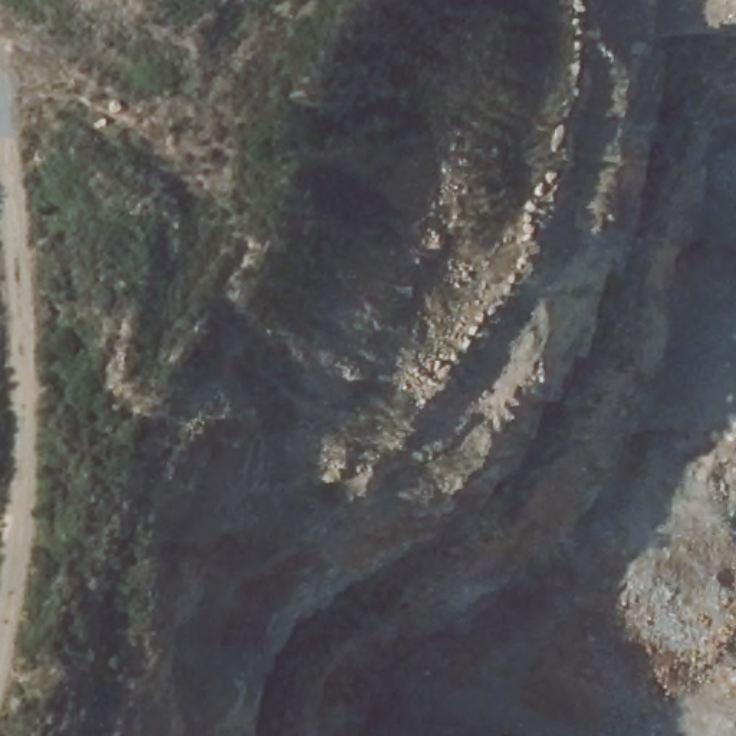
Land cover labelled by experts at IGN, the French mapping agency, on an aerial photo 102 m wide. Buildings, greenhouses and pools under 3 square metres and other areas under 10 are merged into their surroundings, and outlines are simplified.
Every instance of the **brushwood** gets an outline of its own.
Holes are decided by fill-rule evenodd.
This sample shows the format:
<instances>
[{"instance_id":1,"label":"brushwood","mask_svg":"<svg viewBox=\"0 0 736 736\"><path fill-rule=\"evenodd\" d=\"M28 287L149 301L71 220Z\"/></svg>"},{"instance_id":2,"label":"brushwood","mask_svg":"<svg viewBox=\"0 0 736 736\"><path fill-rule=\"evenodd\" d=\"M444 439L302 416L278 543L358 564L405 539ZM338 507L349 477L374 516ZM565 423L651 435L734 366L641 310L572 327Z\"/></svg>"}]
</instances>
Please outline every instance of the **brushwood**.
<instances>
[{"instance_id":1,"label":"brushwood","mask_svg":"<svg viewBox=\"0 0 736 736\"><path fill-rule=\"evenodd\" d=\"M204 14L213 9L213 3L227 0L167 0L164 9L173 14L170 29L178 35L184 35L196 14Z\"/></svg>"},{"instance_id":2,"label":"brushwood","mask_svg":"<svg viewBox=\"0 0 736 736\"><path fill-rule=\"evenodd\" d=\"M46 32L52 32L69 26L78 9L75 0L0 0L0 3L9 12L17 12L20 17L40 23Z\"/></svg>"},{"instance_id":3,"label":"brushwood","mask_svg":"<svg viewBox=\"0 0 736 736\"><path fill-rule=\"evenodd\" d=\"M144 60L127 60L124 69L112 63L106 72L98 75L101 83L118 89L121 109L147 98L175 98L187 81L181 69L187 52L164 40L150 40Z\"/></svg>"},{"instance_id":4,"label":"brushwood","mask_svg":"<svg viewBox=\"0 0 736 736\"><path fill-rule=\"evenodd\" d=\"M201 236L196 213L181 219L181 227L170 227L178 219L175 201L167 196L167 187L178 178L173 173L173 161L167 155L158 155L150 141L135 138L129 127L118 132L121 144L109 147L106 135L95 129L95 124L89 121L83 104L78 104L75 109L60 109L60 129L52 138L58 152L52 152L43 164L37 164L35 173L23 178L29 210L26 242L35 253L35 359L37 380L43 388L37 400L37 503L32 512L35 543L14 653L23 658L23 670L49 667L52 661L58 661L63 679L58 681L49 699L23 702L17 710L0 707L0 736L112 736L115 713L124 702L129 679L138 679L141 670L150 664L141 647L127 641L127 624L150 615L155 604L150 543L155 518L138 518L132 546L118 541L121 520L129 512L127 483L132 472L132 434L138 431L141 417L129 411L124 397L115 397L106 388L106 362L101 362L101 348L92 345L92 339L101 331L101 322L112 313L124 316L124 308L135 311L124 374L127 382L150 377L152 368L161 362L161 351L184 351L193 348L193 342L207 328L210 299L227 296L230 273L242 265L247 244L239 242L230 250L227 244L221 244L221 233L227 227L213 227L210 236Z\"/></svg>"}]
</instances>

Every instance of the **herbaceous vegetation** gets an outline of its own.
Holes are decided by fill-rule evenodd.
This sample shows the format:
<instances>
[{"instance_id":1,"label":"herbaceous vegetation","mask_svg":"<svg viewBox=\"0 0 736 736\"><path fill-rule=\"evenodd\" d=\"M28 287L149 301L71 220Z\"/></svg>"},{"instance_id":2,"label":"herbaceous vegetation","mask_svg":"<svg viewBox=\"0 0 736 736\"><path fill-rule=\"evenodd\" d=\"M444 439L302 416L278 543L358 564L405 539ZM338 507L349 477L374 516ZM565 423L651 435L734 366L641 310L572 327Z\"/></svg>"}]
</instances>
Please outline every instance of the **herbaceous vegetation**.
<instances>
[{"instance_id":1,"label":"herbaceous vegetation","mask_svg":"<svg viewBox=\"0 0 736 736\"><path fill-rule=\"evenodd\" d=\"M0 707L17 710L23 702L49 699L58 681L63 679L58 661L52 661L49 667L23 670L23 658L14 653L14 670L0 670Z\"/></svg>"},{"instance_id":2,"label":"herbaceous vegetation","mask_svg":"<svg viewBox=\"0 0 736 736\"><path fill-rule=\"evenodd\" d=\"M178 35L170 29L173 14L164 9L167 0L75 0L78 9L69 26L52 32L46 32L40 23L20 17L17 12L9 12L0 3L0 43L12 37L14 58L20 63L29 63L14 75L23 178L35 173L37 164L43 164L52 152L58 152L52 138L60 129L60 109L75 109L78 104L83 104L89 121L95 124L95 129L106 135L109 147L121 144L118 132L129 127L135 138L150 141L158 155L167 155L173 161L173 173L178 178L167 187L167 196L175 201L178 219L170 227L181 227L181 219L196 213L201 236L210 236L213 227L227 227L221 233L221 244L227 244L230 250L239 242L247 244L242 265L230 273L227 296L230 302L244 299L244 270L262 259L265 250L285 247L276 230L276 219L285 210L285 196L296 170L313 155L311 112L325 106L319 89L325 60L336 52L336 37L351 40L354 23L368 20L371 0L227 0L213 3L213 9L204 14L196 14L184 35ZM144 60L150 40L164 40L187 52L181 69L187 81L175 98L147 98L121 109L118 89L101 83L98 75L106 72L112 63L124 69L127 60Z\"/></svg>"},{"instance_id":3,"label":"herbaceous vegetation","mask_svg":"<svg viewBox=\"0 0 736 736\"><path fill-rule=\"evenodd\" d=\"M3 365L0 328L0 495L9 489L14 477L17 423L12 411L12 374Z\"/></svg>"},{"instance_id":4,"label":"herbaceous vegetation","mask_svg":"<svg viewBox=\"0 0 736 736\"><path fill-rule=\"evenodd\" d=\"M129 411L141 417L164 420L170 414L167 380L173 374L173 365L184 357L184 351L161 351L161 362L152 368L150 377L127 382L124 374L135 311L124 308L124 316L112 313L101 322L101 331L92 339L92 345L101 348L101 362L106 362L106 388L115 397L124 397Z\"/></svg>"}]
</instances>

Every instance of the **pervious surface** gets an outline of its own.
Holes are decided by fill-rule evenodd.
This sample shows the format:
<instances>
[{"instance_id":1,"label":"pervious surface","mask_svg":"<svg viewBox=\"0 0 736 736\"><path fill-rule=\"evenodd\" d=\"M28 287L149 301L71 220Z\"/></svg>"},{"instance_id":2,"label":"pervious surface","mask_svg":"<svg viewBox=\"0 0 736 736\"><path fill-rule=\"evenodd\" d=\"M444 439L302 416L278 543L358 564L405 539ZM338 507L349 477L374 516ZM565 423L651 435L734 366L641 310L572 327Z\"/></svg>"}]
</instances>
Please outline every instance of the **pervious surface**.
<instances>
[{"instance_id":1,"label":"pervious surface","mask_svg":"<svg viewBox=\"0 0 736 736\"><path fill-rule=\"evenodd\" d=\"M184 351L184 357L173 365L173 374L167 380L170 414L164 420L141 417L138 431L132 434L132 472L127 483L129 512L121 520L118 541L132 546L138 518L155 518L150 543L155 604L150 615L127 624L127 641L141 647L150 664L141 670L138 679L129 679L124 702L115 713L112 736L736 736L736 0L371 0L368 20L354 23L351 40L336 37L336 52L325 60L319 89L325 106L311 112L313 155L296 170L285 196L285 210L276 219L276 230L285 247L265 250L262 259L244 270L244 299L230 302L227 296L210 299L207 328L193 342L193 348Z\"/></svg>"},{"instance_id":2,"label":"pervious surface","mask_svg":"<svg viewBox=\"0 0 736 736\"><path fill-rule=\"evenodd\" d=\"M12 374L12 411L17 423L14 477L9 489L0 495L0 670L14 670L14 653L35 543L32 512L37 503L37 400L43 388L37 380L35 359L35 253L26 242L29 210L23 178L14 75L29 63L20 63L14 58L12 37L0 43L0 328L3 365Z\"/></svg>"}]
</instances>

